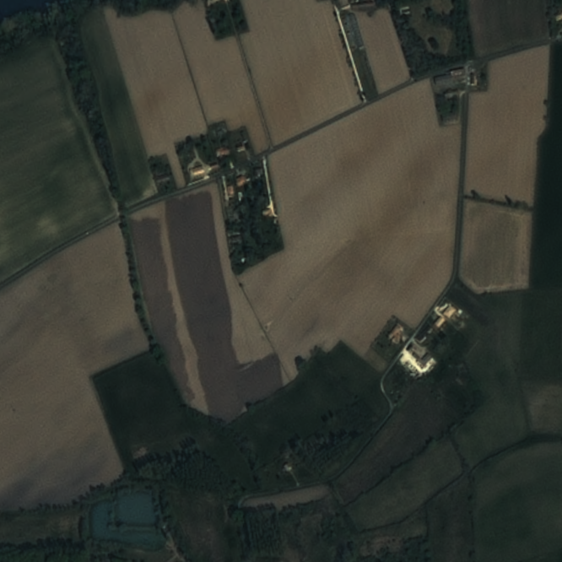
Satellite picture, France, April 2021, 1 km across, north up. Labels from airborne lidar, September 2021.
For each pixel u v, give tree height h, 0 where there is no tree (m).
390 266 0
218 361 0
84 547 11
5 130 0
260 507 0
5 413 0
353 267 0
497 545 0
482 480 0
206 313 0
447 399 0
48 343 0
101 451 0
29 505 0
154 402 0
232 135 11
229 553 0
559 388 0
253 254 16
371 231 0
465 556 0
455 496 0
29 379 0
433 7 0
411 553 11
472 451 0
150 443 0
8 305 0
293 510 13
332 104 0
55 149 0
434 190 0
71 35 24
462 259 0
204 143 16
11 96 0
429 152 0
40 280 0
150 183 0
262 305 0
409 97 0
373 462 0
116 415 0
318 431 0
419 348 0
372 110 0
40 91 0
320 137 0
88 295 0
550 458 0
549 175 0
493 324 0
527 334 0
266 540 30
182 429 0
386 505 0
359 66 0
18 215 0
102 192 0
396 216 0
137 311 12
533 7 0
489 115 0
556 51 0
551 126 0
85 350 0
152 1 22
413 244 0
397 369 0
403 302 0
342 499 0
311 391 0
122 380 0
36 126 0
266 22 0
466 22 10
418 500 0
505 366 0
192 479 37
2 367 0
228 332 0
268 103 0
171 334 0
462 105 0
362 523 0
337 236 0
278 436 0
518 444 0
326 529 5
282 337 0
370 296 0
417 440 0
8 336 0
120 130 0
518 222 0
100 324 0
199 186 0
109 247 0
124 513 0
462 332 0
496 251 0
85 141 0
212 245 0
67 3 15
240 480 0
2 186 0
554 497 0
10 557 19
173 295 0
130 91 0
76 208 0
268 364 0
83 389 0
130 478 9
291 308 0
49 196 0
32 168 0
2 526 0
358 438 20
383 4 17
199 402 0
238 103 0
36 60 0
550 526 0
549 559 0
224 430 16
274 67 0
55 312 0
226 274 0
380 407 0
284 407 0
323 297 0
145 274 0
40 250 0
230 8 0
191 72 0
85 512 11
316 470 28
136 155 0
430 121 0
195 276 0
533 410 0
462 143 0
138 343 0
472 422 0
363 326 0
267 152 0
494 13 0
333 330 0
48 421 0
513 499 0
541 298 0
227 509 0
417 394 0
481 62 0
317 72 0
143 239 0
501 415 0
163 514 16
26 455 0
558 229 0
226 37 10
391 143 0
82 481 0
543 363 0
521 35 0
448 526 0
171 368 0
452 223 0
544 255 0
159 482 26
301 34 0
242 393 0
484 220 0
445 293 0
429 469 0
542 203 0
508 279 0
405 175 0
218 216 0
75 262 0
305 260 0
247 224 18
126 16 12
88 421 0
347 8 0
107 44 0
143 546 0
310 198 0
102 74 0
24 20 17
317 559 0
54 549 19
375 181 0
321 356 0
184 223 0
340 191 0
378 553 5
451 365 0
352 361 0
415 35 10
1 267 0
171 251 0
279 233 8
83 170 0
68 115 0
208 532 0
